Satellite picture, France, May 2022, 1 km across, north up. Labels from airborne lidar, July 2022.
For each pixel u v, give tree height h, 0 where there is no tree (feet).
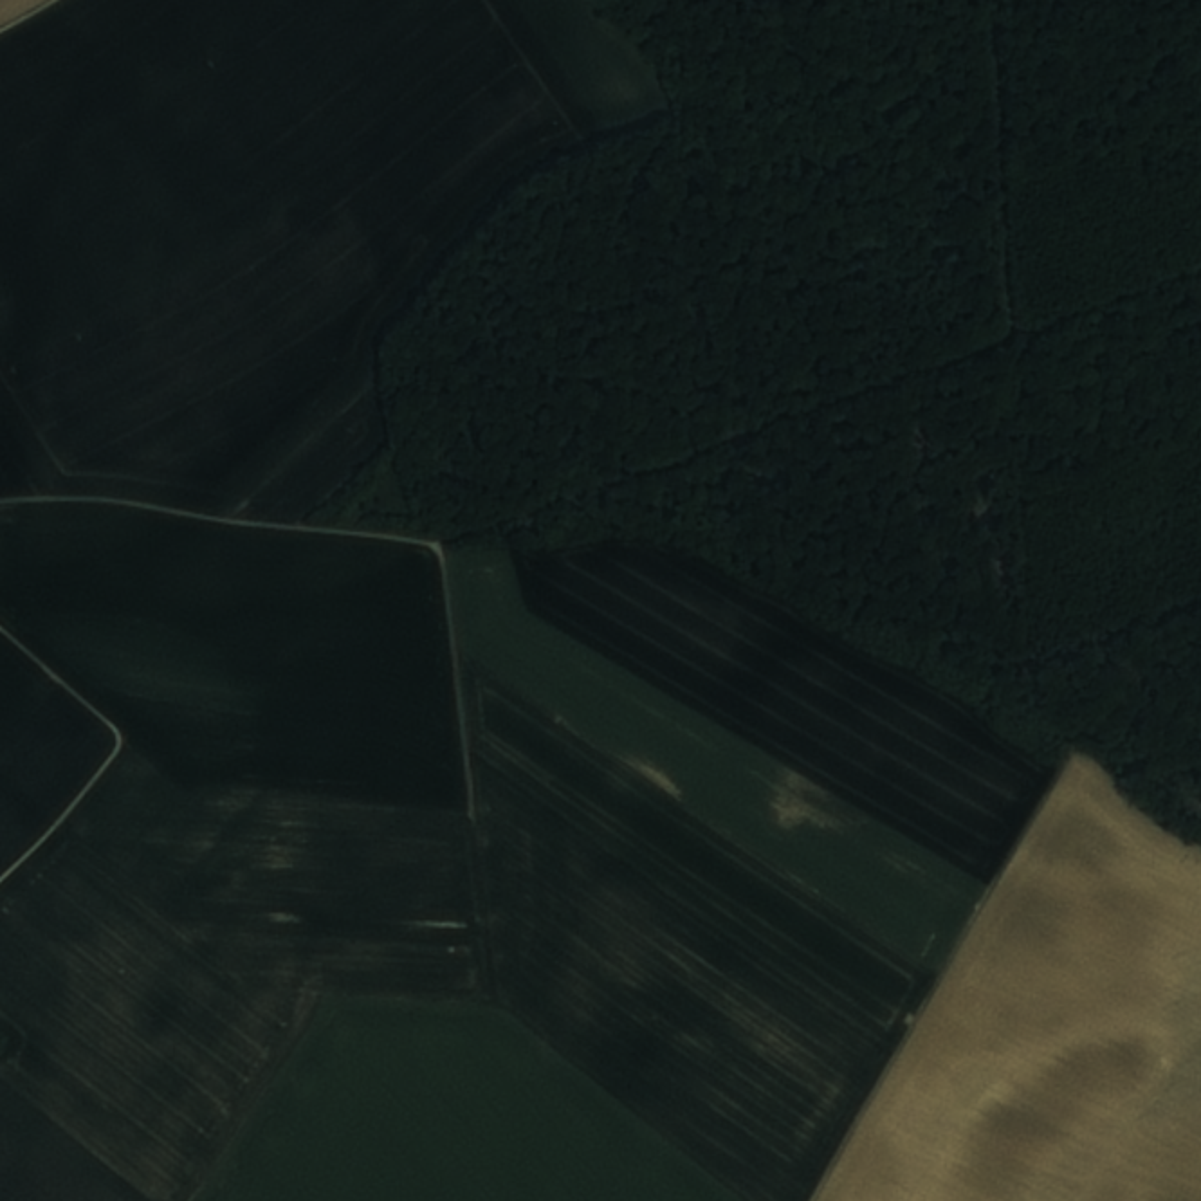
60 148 0
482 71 0
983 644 85
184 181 0
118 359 0
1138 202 56
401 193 0
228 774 0
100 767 0
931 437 91
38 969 0
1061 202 61
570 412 91
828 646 0
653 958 0
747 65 94
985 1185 0
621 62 0
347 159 0
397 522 24
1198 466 49
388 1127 0
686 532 72
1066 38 91
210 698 0
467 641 0
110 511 0
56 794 0
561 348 96
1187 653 93
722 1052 0
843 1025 0
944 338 89
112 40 0
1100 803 0
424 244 0
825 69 82
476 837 0
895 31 102
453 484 81
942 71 79
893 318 89
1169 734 99
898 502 98
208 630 0
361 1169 0
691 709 0
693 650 0
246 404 0
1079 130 50
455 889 0
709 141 86
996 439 85
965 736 0
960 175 77
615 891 0
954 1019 0
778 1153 0
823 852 0
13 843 0
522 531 72
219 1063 0
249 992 0
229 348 0
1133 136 78
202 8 0
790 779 0
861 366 86
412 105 0
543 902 0
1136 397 91
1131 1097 0
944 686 73
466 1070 0
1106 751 83
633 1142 0
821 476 102
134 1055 0
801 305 89
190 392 0
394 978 0
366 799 0
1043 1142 0
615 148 77
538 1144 0
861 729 0
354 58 0
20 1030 0
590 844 0
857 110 99
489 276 82
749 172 66
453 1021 0
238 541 0
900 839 0
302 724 0
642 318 94
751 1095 0
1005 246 45
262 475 0
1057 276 57
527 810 0
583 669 0
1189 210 57
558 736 0
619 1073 0
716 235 82
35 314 0
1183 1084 0
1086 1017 0
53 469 0
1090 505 56
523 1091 0
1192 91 96
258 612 0
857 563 93
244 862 0
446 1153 0
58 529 0
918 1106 0
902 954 0
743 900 0
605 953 0
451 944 0
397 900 0
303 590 0
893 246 91
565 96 0
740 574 55
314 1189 0
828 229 52
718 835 0
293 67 0
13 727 0
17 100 0
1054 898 0
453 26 0
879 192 69
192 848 0
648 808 0
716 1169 0
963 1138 0
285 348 0
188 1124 0
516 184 54
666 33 74
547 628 0
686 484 79
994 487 91
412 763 0
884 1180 0
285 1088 0
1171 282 67
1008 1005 0
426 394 80
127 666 0
